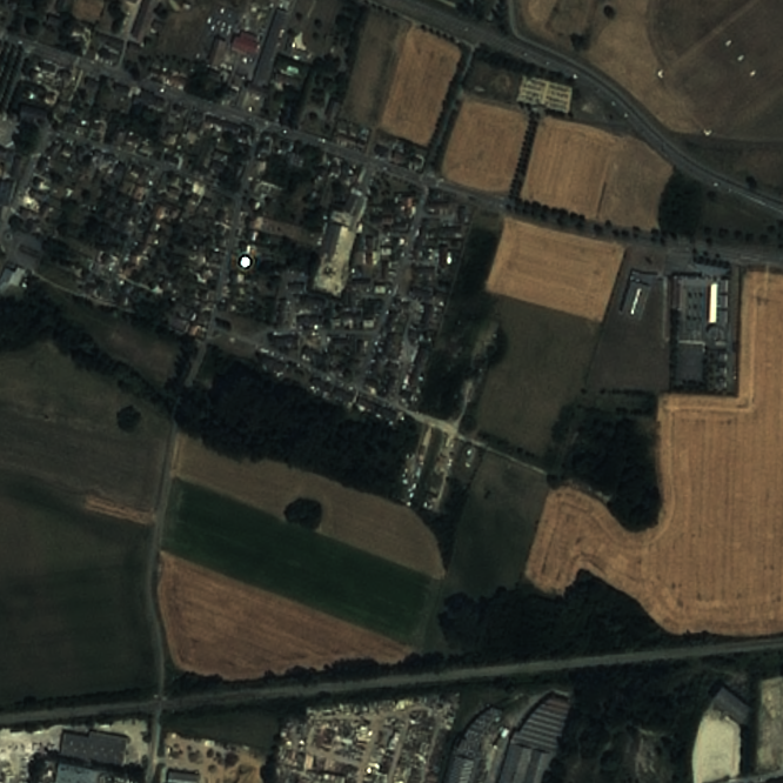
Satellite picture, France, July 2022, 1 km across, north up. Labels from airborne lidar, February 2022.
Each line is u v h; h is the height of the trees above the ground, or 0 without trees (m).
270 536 0
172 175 12
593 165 0
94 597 0
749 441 0
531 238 0
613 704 26
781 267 0
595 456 10
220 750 0
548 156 0
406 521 0
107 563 0
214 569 0
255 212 8
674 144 0
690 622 0
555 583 0
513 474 0
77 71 0
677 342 6
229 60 0
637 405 0
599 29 0
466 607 29
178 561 0
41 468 0
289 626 0
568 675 6
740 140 0
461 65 6
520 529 0
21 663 0
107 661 0
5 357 0
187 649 0
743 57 0
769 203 0
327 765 0
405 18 0
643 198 0
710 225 0
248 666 0
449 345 0
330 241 0
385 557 0
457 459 0
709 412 0
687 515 0
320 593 0
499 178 0
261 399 38
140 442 0
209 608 0
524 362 0
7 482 0
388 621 0
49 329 25
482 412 0
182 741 0
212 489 0
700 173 0
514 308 0
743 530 0
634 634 7
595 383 0
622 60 0
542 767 0
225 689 16
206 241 9
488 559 0
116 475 0
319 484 0
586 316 0
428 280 0
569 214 9
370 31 0
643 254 0
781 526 0
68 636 0
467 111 0
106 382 0
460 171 0
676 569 0
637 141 0
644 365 0
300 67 7
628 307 0
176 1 0
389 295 0
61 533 0
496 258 0
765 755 0
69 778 0
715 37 0
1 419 0
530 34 0
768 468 0
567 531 0
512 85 0
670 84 0
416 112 0
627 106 0
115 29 9
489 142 0
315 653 0
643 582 0
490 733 0
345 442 32
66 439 0
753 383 0
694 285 0
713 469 0
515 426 0
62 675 0
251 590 0
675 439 0
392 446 31
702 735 0
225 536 0
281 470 0
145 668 0
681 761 22
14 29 8
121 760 0
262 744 0
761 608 0
